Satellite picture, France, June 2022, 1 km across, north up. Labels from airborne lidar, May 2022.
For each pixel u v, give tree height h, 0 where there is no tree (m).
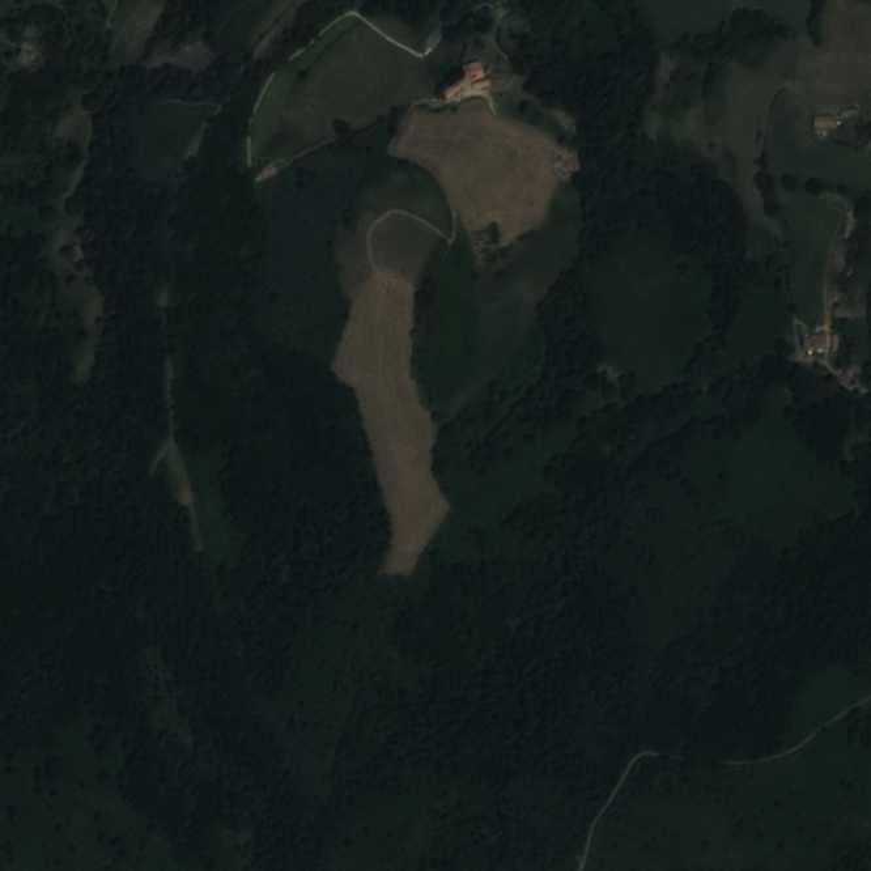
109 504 26
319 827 9
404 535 0
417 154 0
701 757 12
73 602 31
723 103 0
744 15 14
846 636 14
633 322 0
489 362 0
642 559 11
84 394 14
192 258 13
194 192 16
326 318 0
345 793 17
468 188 0
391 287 0
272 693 16
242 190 19
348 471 14
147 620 23
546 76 20
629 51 19
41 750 11
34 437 19
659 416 16
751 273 21
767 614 19
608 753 6
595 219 20
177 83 18
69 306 0
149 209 18
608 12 12
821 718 0
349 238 0
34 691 24
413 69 0
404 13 15
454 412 0
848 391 15
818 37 7
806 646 15
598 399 0
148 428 13
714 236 24
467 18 18
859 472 16
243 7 0
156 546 15
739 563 6
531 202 0
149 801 17
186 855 16
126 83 12
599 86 10
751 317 0
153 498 18
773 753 7
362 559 9
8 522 16
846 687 0
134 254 15
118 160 27
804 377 27
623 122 14
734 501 0
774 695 17
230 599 11
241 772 19
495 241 6
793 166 0
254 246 17
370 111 0
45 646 27
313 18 15
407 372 0
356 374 0
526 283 0
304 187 13
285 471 22
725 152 0
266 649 19
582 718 11
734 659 25
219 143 16
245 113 13
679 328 0
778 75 0
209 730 15
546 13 11
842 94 0
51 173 14
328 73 0
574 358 19
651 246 0
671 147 0
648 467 16
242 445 20
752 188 0
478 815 7
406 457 0
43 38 7
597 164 20
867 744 15
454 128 0
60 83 20
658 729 12
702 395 11
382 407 0
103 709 18
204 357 18
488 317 0
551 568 16
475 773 15
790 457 0
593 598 18
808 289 0
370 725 13
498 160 0
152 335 22
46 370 15
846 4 0
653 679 8
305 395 11
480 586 16
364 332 0
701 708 25
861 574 7
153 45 12
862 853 17
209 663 18
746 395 13
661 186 23
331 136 0
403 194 0
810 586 16
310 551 18
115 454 26
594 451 18
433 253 0
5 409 19
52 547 19
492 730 26
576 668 17
